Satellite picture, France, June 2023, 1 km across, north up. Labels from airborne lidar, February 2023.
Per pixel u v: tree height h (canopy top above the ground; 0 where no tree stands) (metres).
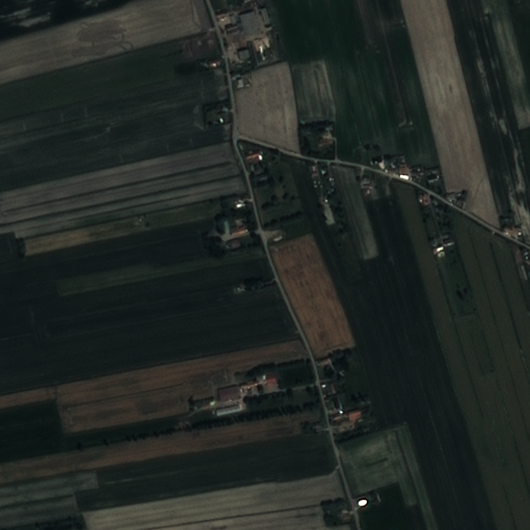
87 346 0
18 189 0
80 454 0
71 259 0
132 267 0
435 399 0
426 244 0
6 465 0
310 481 0
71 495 0
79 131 0
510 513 0
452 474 0
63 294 0
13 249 0
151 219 0
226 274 0
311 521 0
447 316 0
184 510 0
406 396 0
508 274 0
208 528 0
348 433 5
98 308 0
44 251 0
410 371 0
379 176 0
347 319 0
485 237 0
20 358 0
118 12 0
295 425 0
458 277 0
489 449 0
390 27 0
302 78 0
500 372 0
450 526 0
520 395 0
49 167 0
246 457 0
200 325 0
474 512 0
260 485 0
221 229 16
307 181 0
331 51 0
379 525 0
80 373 0
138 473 0
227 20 0
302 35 0
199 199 0
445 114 0
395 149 0
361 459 0
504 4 0
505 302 0
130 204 0
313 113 0
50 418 0
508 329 0
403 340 0
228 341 0
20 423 0
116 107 0
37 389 0
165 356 0
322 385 0
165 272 0
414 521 0
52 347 0
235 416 0
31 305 0
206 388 0
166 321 0
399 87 0
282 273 0
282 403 0
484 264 0
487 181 0
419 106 0
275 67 0
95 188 0
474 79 0
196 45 0
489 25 0
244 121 0
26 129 0
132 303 0
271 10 0
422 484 0
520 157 0
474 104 0
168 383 0
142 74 0
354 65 0
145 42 0
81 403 0
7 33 0
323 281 0
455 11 0
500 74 0
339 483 0
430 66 0
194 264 0
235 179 0
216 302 0
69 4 0
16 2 0
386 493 0
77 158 0
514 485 0
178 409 0
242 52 0
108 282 0
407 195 0
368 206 0
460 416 0
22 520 0
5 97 0
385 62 0
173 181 0
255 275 0
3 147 0
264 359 0
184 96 0
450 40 0
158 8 0
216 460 0
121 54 0
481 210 0
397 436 0
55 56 0
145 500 0
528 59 0
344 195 0
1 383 0
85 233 0
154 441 0
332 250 0
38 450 0
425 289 0
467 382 0
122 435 0
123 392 0
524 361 0
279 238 0
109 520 0
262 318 0
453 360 0
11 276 0
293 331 0
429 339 0
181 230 0
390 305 0
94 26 0
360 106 0
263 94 0
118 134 0
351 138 0
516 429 0
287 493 0
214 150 0
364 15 0
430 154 0
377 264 0
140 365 0
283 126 0
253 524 0
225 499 0
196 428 12
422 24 0
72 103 0
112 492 0
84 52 0
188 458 0
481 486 0
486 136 0
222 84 0
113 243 0
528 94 0
